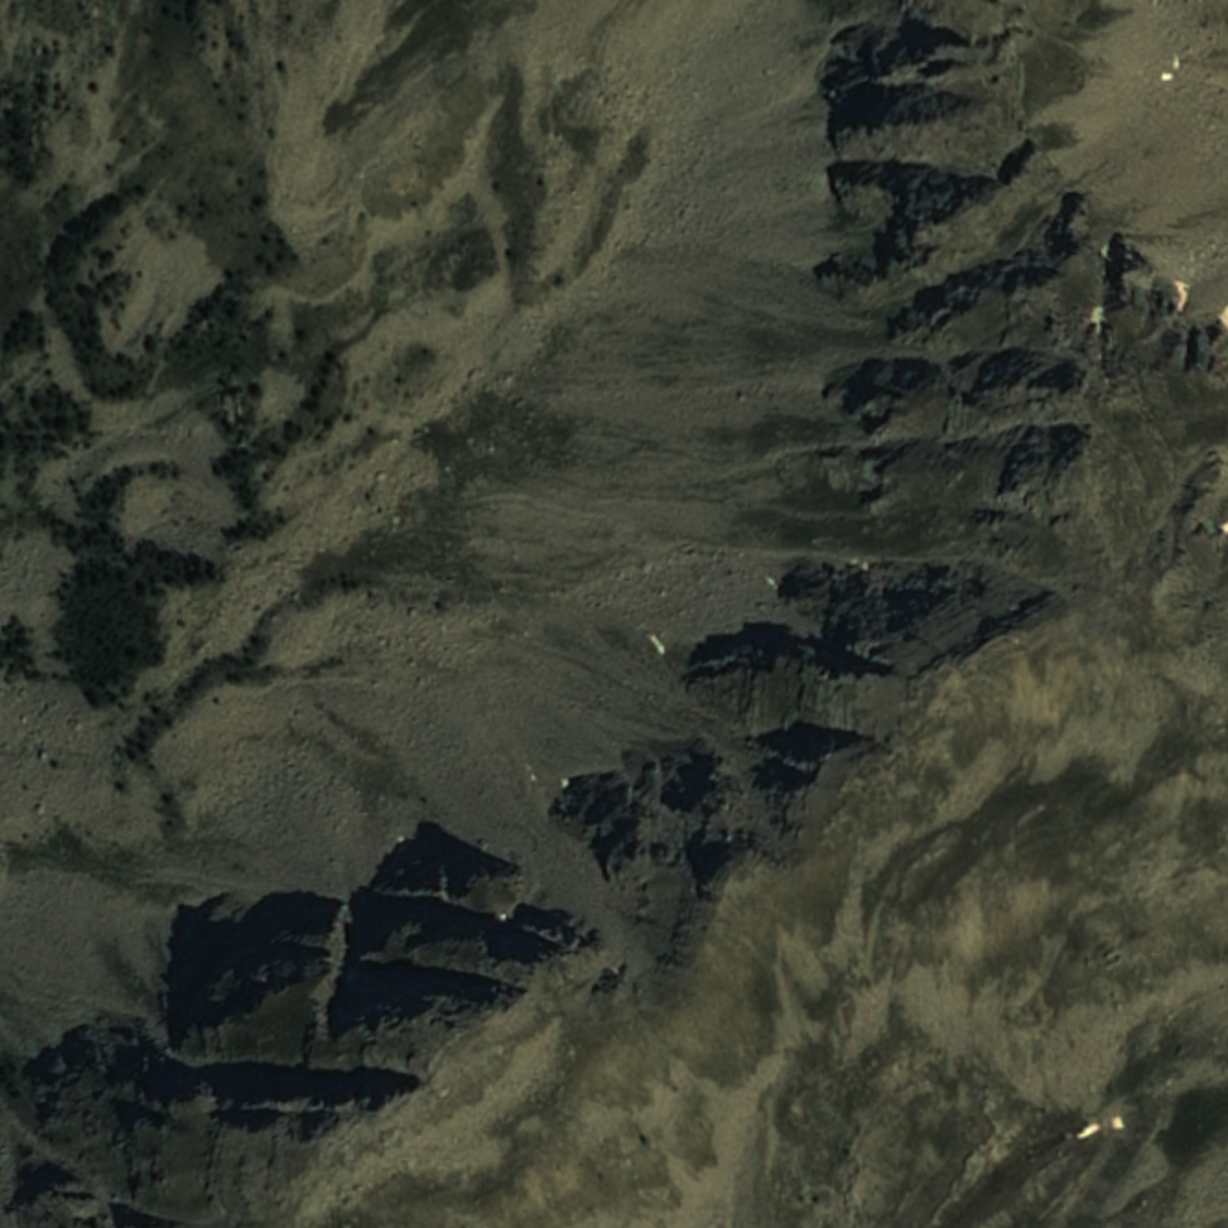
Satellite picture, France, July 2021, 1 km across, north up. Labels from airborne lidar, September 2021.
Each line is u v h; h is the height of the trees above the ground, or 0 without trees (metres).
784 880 0
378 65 0
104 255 9
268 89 0
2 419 7
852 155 0
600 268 0
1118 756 0
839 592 0
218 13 0
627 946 0
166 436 0
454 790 0
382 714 0
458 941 0
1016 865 0
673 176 0
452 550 0
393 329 0
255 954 0
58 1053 0
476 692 0
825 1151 0
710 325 0
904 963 0
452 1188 0
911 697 0
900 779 0
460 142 0
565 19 0
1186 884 0
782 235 0
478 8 0
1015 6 0
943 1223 0
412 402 0
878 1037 0
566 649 0
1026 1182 0
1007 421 0
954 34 0
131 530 0
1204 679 0
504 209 0
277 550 0
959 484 0
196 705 0
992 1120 0
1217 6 0
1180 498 0
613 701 0
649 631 0
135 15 0
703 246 0
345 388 0
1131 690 0
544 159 0
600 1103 0
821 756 0
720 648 0
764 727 0
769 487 0
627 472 0
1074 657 0
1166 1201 0
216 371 0
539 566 0
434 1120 0
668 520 0
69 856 0
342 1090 0
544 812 0
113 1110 0
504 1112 0
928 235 0
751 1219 0
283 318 0
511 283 0
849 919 0
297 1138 0
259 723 0
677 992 0
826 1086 0
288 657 0
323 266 0
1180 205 0
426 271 0
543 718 0
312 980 0
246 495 7
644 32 0
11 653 10
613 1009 0
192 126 0
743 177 0
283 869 0
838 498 0
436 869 0
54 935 0
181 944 0
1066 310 0
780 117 0
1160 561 0
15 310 0
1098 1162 0
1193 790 0
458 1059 0
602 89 0
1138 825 0
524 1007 0
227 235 0
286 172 0
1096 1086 0
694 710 0
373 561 0
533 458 0
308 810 0
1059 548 0
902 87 0
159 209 0
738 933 0
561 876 0
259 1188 0
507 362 0
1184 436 0
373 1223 0
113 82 0
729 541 0
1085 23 0
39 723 0
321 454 0
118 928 0
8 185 0
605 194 0
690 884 0
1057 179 0
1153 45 0
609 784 0
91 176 0
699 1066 0
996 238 0
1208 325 0
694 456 0
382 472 0
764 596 0
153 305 0
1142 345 0
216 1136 0
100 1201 0
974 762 0
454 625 0
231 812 0
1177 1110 0
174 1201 0
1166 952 0
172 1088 0
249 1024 0
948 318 0
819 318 0
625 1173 0
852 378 0
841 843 0
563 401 0
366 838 0
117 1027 0
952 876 0
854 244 0
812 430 0
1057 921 0
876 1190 0
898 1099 0
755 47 0
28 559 0
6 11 0
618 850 0
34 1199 0
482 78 0
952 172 0
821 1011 0
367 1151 0
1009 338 0
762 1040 0
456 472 0
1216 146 0
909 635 0
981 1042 0
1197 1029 0
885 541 0
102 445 0
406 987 0
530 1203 0
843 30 0
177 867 0
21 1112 0
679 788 0
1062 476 0
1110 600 0
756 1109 0
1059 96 0
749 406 0
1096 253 0
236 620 0
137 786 0
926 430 0
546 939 0
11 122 7
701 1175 0
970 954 0
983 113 0
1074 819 0
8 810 0
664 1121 0
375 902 0
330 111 0
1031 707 0
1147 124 0
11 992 0
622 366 0
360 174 0
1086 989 0
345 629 0
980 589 0
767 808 0
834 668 0
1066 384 0
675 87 0
